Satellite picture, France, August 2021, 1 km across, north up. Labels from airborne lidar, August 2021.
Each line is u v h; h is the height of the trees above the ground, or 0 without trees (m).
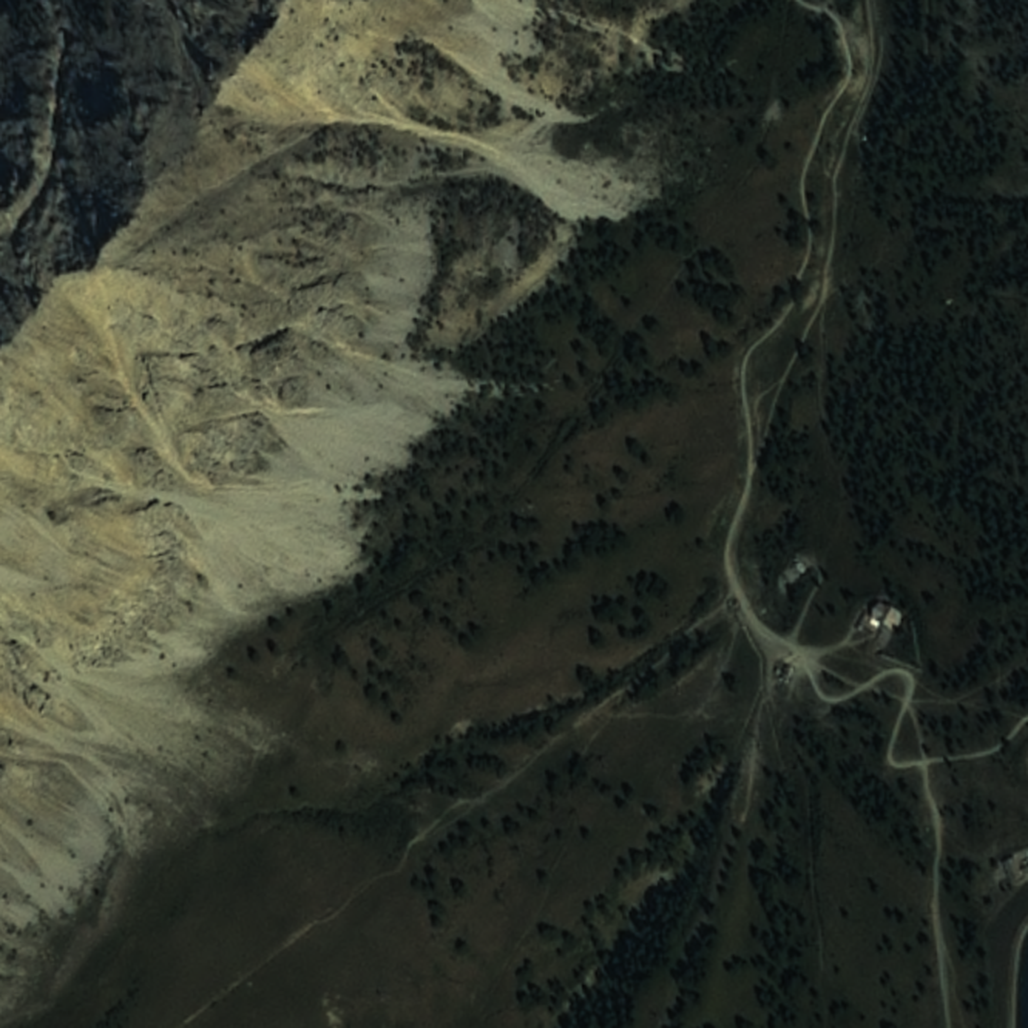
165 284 0
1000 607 15
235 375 0
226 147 0
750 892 0
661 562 0
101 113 0
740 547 0
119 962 0
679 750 0
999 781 0
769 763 0
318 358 0
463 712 0
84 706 0
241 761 0
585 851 0
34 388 0
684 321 0
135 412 0
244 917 0
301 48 0
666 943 21
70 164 0
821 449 0
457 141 0
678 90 10
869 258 0
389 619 12
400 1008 0
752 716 0
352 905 0
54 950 0
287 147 0
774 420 0
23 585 0
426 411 0
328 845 0
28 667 0
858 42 0
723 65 19
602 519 0
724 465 0
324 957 0
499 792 0
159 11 0
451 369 0
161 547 0
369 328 0
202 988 0
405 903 0
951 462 13
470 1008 0
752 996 0
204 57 0
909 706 0
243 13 0
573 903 0
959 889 14
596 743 0
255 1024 0
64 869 0
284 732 0
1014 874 0
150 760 0
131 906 0
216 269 0
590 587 0
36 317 0
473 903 0
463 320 0
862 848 0
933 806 0
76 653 0
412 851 0
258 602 0
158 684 0
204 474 0
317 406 0
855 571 0
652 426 0
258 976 0
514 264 0
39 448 0
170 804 0
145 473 0
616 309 0
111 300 0
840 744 0
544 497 0
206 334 0
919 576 0
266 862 0
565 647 0
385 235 0
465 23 0
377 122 0
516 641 0
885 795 16
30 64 0
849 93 0
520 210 6
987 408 14
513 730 14
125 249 0
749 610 0
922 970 0
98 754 0
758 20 19
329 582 0
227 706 0
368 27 0
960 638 0
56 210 0
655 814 15
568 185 0
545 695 0
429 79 7
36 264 0
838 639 0
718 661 0
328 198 0
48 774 0
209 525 0
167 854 0
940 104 17
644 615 16
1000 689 0
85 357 0
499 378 13
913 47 19
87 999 0
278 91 0
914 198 14
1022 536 16
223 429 0
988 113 11
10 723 0
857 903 0
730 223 0
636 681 0
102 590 0
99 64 0
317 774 0
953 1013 0
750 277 0
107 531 0
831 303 0
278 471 0
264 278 0
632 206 0
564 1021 0
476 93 0
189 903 0
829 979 0
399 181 0
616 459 0
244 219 0
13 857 0
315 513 0
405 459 0
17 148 0
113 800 0
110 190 0
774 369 0
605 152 0
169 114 0
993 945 0
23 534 0
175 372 0
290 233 0
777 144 0
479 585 0
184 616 0
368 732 0
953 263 11
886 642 0
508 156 0
